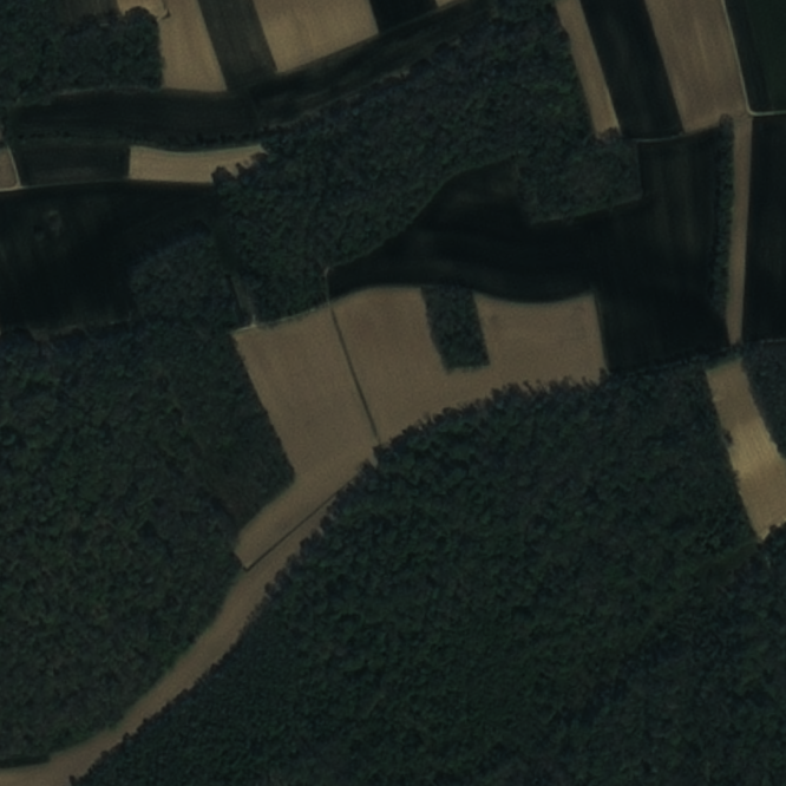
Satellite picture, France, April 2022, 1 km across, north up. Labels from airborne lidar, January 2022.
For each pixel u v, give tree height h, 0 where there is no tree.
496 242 0
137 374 30
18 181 0
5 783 0
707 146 0
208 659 0
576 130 9
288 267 32
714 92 0
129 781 19
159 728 15
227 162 0
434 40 0
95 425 35
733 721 9
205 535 36
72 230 0
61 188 0
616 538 32
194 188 0
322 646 30
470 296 19
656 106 0
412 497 29
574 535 33
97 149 0
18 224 0
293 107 0
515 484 30
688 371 28
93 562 24
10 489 31
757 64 0
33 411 35
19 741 30
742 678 27
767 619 24
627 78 0
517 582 27
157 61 25
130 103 0
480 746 19
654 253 0
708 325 0
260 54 0
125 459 38
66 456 33
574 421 31
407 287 0
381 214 27
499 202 0
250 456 18
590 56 0
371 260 0
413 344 0
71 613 33
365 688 23
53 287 0
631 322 0
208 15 0
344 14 0
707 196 0
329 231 28
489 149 22
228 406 25
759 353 27
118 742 0
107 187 0
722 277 21
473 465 27
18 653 31
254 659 21
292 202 32
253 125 0
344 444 0
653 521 29
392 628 27
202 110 0
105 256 0
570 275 0
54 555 32
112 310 0
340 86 0
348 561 29
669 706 29
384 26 0
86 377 36
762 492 0
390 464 29
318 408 0
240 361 28
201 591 37
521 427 19
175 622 35
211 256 25
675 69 0
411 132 29
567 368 0
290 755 26
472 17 0
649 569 30
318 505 0
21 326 0
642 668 26
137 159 0
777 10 0
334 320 0
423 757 27
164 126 0
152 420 34
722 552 12
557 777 32
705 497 21
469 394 0
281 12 0
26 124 0
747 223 0
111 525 35
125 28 24
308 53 0
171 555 34
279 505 0
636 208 0
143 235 0
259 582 0
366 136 29
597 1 0
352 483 0
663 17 0
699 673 30
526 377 0
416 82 19
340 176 33
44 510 35
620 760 36
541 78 32
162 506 40
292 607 23
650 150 0
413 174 25
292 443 0
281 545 0
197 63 0
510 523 17
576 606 34
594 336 0
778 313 0
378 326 0
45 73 32
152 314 6
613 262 0
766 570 26
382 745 27
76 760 0
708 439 25
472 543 26
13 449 34
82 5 0
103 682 31
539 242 0
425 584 25
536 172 15
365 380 0
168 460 33
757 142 0
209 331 31
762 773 30
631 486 38
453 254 0
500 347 0
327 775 31
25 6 27
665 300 0
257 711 23
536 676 12
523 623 24
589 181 33
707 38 0
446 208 0
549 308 0
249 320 16
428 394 0
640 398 23
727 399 0
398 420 0
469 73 23
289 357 0
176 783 20
